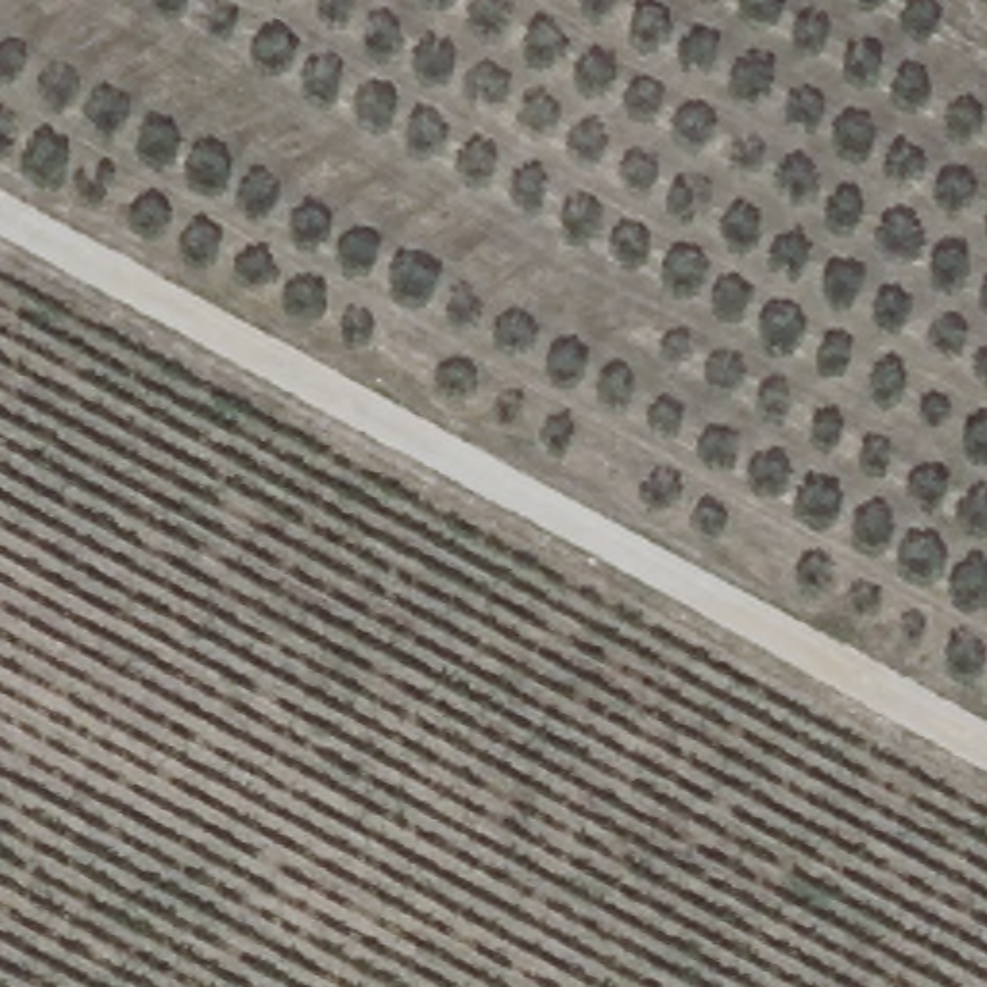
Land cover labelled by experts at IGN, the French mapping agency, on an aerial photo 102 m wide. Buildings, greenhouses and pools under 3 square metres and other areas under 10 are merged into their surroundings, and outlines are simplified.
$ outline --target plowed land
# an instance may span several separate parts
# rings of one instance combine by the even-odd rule
[[[721,0],[667,0],[671,31],[663,42],[648,46],[636,42],[628,31],[636,0],[509,0],[509,27],[501,35],[482,35],[467,19],[470,0],[0,0],[0,189],[39,208],[54,224],[66,224],[69,231],[116,254],[127,254],[131,262],[189,289],[220,312],[312,355],[316,362],[409,409],[440,432],[474,443],[486,455],[509,463],[513,470],[601,513],[605,520],[663,547],[667,555],[717,574],[721,582],[864,652],[867,659],[898,671],[902,679],[914,679],[929,694],[956,702],[960,709],[987,721],[987,659],[979,675],[952,675],[945,652],[952,628],[968,628],[987,644],[987,605],[960,609],[952,601],[948,582],[968,551],[987,555],[987,532],[968,532],[968,524],[956,517],[956,505],[972,482],[987,482],[987,463],[975,463],[968,455],[964,420],[975,409],[987,409],[987,0],[937,0],[941,27],[925,39],[914,39],[902,27],[902,15],[883,23],[875,8],[864,8],[860,0],[783,0],[783,15],[798,15],[802,8],[829,12],[829,39],[840,46],[856,35],[871,35],[883,42],[879,73],[867,81],[852,81],[844,66],[825,69],[817,50],[798,50],[794,35],[787,42],[771,42],[771,23],[748,19],[740,8],[725,12]],[[374,8],[389,8],[401,15],[401,42],[386,58],[374,58],[366,50],[366,19]],[[536,12],[555,15],[571,39],[551,66],[532,66],[524,54],[524,31]],[[270,19],[289,23],[297,31],[297,54],[281,73],[262,69],[251,58],[251,39]],[[706,69],[679,62],[679,42],[698,23],[721,31],[717,58]],[[416,42],[432,31],[455,42],[455,69],[447,81],[428,81],[413,66]],[[594,96],[582,93],[574,81],[574,66],[590,46],[605,46],[617,54],[613,85]],[[343,58],[343,81],[335,100],[328,104],[312,100],[301,77],[308,54],[332,50]],[[729,89],[733,62],[748,50],[775,54],[775,81],[771,93],[760,100],[736,100]],[[467,73],[490,58],[509,69],[509,96],[501,104],[467,96]],[[39,93],[39,73],[50,62],[66,62],[77,69],[77,93],[66,108],[54,108]],[[918,108],[891,93],[902,62],[925,62],[929,100],[945,112],[956,96],[979,96],[983,127],[972,139],[956,139],[945,116],[921,120]],[[648,120],[625,108],[625,93],[636,73],[652,73],[663,81],[663,104]],[[116,131],[96,131],[96,123],[85,116],[93,89],[104,81],[131,93],[131,112]],[[397,108],[386,131],[374,131],[366,120],[355,116],[355,93],[366,81],[389,81],[397,89]],[[787,116],[787,96],[798,85],[817,85],[825,93],[825,112],[817,123],[794,123]],[[551,89],[559,96],[559,120],[551,131],[528,131],[520,123],[520,104],[528,89]],[[717,127],[709,143],[686,143],[675,135],[675,112],[682,100],[706,100],[717,108]],[[416,104],[432,104],[447,120],[447,143],[432,154],[409,147],[409,116]],[[833,123],[844,108],[871,112],[875,143],[867,158],[844,158],[837,150]],[[166,166],[147,166],[147,158],[139,154],[139,131],[150,112],[173,116],[181,131],[177,154]],[[609,147],[598,162],[586,162],[567,147],[571,131],[586,116],[598,116],[605,127]],[[58,189],[35,185],[23,173],[23,150],[39,127],[54,127],[69,139],[69,158],[62,166]],[[189,185],[189,154],[204,135],[224,139],[231,150],[231,173],[220,193],[200,193]],[[497,143],[494,173],[482,185],[470,185],[459,170],[459,150],[470,135],[486,135]],[[910,139],[925,150],[921,173],[887,173],[883,162],[894,139]],[[632,147],[644,147],[659,158],[652,189],[632,189],[621,177],[621,158]],[[806,197],[790,197],[775,177],[779,162],[790,150],[810,154],[817,166],[817,189]],[[77,197],[73,177],[77,170],[93,173],[100,158],[116,162],[116,177],[104,200],[89,204]],[[532,158],[547,170],[540,212],[517,204],[513,197],[513,170]],[[239,204],[239,185],[251,166],[266,166],[281,185],[281,197],[266,216],[247,216]],[[937,173],[945,166],[972,166],[979,177],[975,197],[964,208],[945,208],[933,193]],[[698,204],[694,220],[679,220],[667,208],[671,181],[679,173],[713,173],[709,204]],[[844,181],[860,185],[864,216],[856,220],[856,227],[833,231],[825,208],[833,189]],[[127,204],[147,189],[162,189],[170,197],[170,224],[158,235],[139,235],[127,224]],[[567,239],[563,197],[571,193],[594,193],[601,200],[594,239]],[[320,197],[332,208],[332,227],[320,243],[297,247],[289,216],[305,197]],[[760,235],[752,247],[733,247],[721,231],[721,220],[733,200],[752,200],[760,208]],[[891,254],[879,243],[879,220],[894,204],[910,204],[925,227],[921,251],[914,258]],[[181,231],[193,216],[212,216],[224,231],[220,251],[208,266],[189,266],[181,258]],[[702,243],[709,258],[702,285],[694,293],[675,293],[667,281],[652,289],[640,266],[625,266],[617,258],[609,243],[617,220],[640,220],[652,235],[648,247],[663,254],[671,251],[671,243]],[[374,227],[382,235],[370,270],[343,270],[339,239],[347,227]],[[771,243],[775,235],[794,227],[810,239],[810,262],[798,274],[787,274],[771,266]],[[941,239],[968,243],[968,274],[952,289],[941,289],[929,266]],[[235,274],[235,254],[251,243],[266,243],[278,262],[274,278],[262,285],[247,285]],[[405,247],[440,258],[436,289],[420,305],[401,305],[393,297],[389,270],[393,254]],[[864,262],[864,281],[852,305],[829,301],[829,258]],[[297,274],[324,278],[328,305],[320,316],[285,312],[281,293]],[[721,274],[740,274],[752,281],[752,297],[740,320],[721,320],[713,308],[713,289]],[[470,281],[482,301],[470,324],[451,324],[447,316],[451,285],[459,281]],[[883,328],[875,320],[879,285],[902,285],[910,293],[910,316],[902,328]],[[775,297],[798,301],[806,312],[806,332],[794,343],[794,351],[771,351],[763,343],[760,312]],[[343,312],[351,305],[374,312],[374,335],[366,343],[343,339]],[[528,308],[540,324],[536,339],[520,351],[505,351],[494,339],[494,320],[505,308]],[[945,312],[960,312],[968,320],[968,335],[956,355],[937,351],[929,339],[929,328]],[[659,351],[659,343],[632,343],[632,328],[655,328],[659,335],[667,328],[690,328],[690,351],[702,351],[706,359],[721,347],[740,351],[744,378],[736,389],[709,386],[706,374],[686,378],[682,366]],[[852,335],[852,359],[833,378],[817,366],[817,351],[829,328]],[[559,335],[574,335],[586,343],[582,378],[571,386],[555,386],[547,378],[547,351]],[[440,389],[436,366],[447,355],[474,359],[474,393]],[[891,405],[879,405],[871,397],[871,366],[883,355],[902,355],[906,362],[906,389]],[[636,378],[632,401],[625,409],[609,409],[598,397],[598,374],[609,359],[628,362]],[[767,374],[783,374],[790,386],[787,416],[763,416],[756,401],[760,382]],[[682,401],[679,432],[659,432],[648,424],[648,405],[663,393]],[[844,413],[844,432],[837,447],[814,443],[814,413],[825,405],[837,405]],[[574,440],[567,443],[567,451],[551,451],[544,440],[544,424],[551,413],[574,416]],[[698,436],[706,424],[736,428],[733,467],[702,463]],[[891,436],[891,463],[883,474],[860,463],[860,443],[867,432]],[[748,482],[752,455],[767,447],[783,447],[790,459],[783,494],[756,494]],[[921,501],[906,486],[918,463],[948,467],[948,490],[933,509],[921,509]],[[671,505],[648,505],[640,497],[640,486],[655,467],[675,467],[682,474],[682,494]],[[840,482],[840,513],[829,528],[810,528],[794,517],[794,501],[806,474],[833,474]],[[702,528],[694,524],[694,509],[702,497],[717,497],[729,509],[729,520],[717,536],[702,536]],[[856,509],[871,497],[891,501],[894,524],[891,540],[879,551],[860,551],[852,544],[852,524]],[[906,578],[898,567],[898,551],[910,528],[937,528],[945,540],[945,559],[925,582]],[[833,559],[833,578],[825,586],[798,582],[798,555],[810,547],[821,547]]]

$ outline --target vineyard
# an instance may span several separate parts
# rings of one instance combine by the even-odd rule
[[[601,555],[482,497],[478,490],[467,490],[443,470],[378,443],[370,432],[359,432],[320,413],[297,393],[278,389],[274,382],[189,339],[185,332],[131,308],[127,301],[108,297],[96,285],[62,274],[54,262],[0,235],[0,987],[987,987],[987,771],[956,760],[948,748],[933,744],[921,733],[875,721],[875,713],[867,713],[860,702],[810,679],[794,663],[771,655],[767,648],[713,625],[694,605],[617,571]]]

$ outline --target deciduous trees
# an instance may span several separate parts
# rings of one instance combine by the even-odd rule
[[[382,235],[374,227],[347,227],[339,239],[343,270],[370,270]]]
[[[547,170],[532,158],[513,170],[513,197],[517,204],[540,212]]]
[[[69,139],[54,127],[39,127],[23,150],[23,173],[35,185],[58,189],[62,166],[69,158]]]
[[[817,366],[833,378],[852,359],[852,335],[829,328],[817,351]]]
[[[736,100],[760,100],[771,93],[775,81],[775,54],[748,50],[733,62],[729,89]]]
[[[675,135],[686,143],[709,143],[717,127],[717,108],[706,100],[682,100],[675,112]]]
[[[879,220],[879,243],[891,254],[914,258],[921,251],[925,227],[910,204],[894,204]]]
[[[212,216],[193,216],[181,231],[181,258],[189,266],[208,266],[220,251],[224,231]]]
[[[509,0],[470,0],[467,19],[482,35],[501,35],[509,27]]]
[[[659,335],[655,328],[632,328],[632,343],[659,343],[659,351],[682,366],[686,378],[706,374],[709,386],[736,389],[744,378],[740,351],[721,347],[706,359],[702,351],[690,351],[690,328],[667,328]]]
[[[771,266],[787,274],[798,274],[810,262],[810,239],[794,227],[775,235],[771,243]]]
[[[879,73],[883,42],[871,35],[856,35],[840,46],[829,39],[829,12],[802,8],[798,15],[783,15],[783,0],[721,0],[725,12],[740,8],[748,19],[771,23],[771,42],[787,42],[794,35],[798,50],[817,50],[825,69],[844,66],[852,81],[867,81]]]
[[[582,378],[586,343],[574,335],[559,335],[547,351],[547,378],[555,386],[571,386]]]
[[[794,501],[794,517],[810,528],[829,528],[840,513],[840,482],[833,474],[806,474]]]
[[[297,247],[320,243],[332,227],[332,208],[320,197],[305,197],[289,216]]]
[[[979,675],[987,659],[987,644],[968,628],[952,628],[945,652],[952,675]]]
[[[116,131],[131,112],[131,93],[104,81],[93,89],[85,116],[96,123],[96,131]]]
[[[937,528],[910,528],[898,551],[898,567],[906,578],[925,582],[945,559],[945,540]]]
[[[921,120],[945,116],[956,139],[972,139],[983,127],[979,96],[956,96],[945,112],[929,100],[925,62],[902,62],[891,93],[918,108]]]
[[[50,62],[39,73],[39,93],[54,108],[66,108],[77,93],[77,69],[66,62]]]
[[[968,243],[941,239],[929,266],[941,289],[952,289],[968,274]]]
[[[440,389],[474,393],[474,359],[447,355],[436,366]]]
[[[694,524],[702,528],[702,536],[717,536],[729,520],[729,509],[717,497],[702,497],[694,509]]]
[[[860,463],[883,474],[891,463],[891,436],[867,432],[860,443]]]
[[[609,409],[625,409],[632,401],[636,378],[628,362],[609,359],[598,374],[598,397]]]
[[[189,154],[189,185],[200,193],[220,193],[231,173],[231,150],[224,139],[204,135]]]
[[[447,120],[432,104],[416,104],[409,116],[409,147],[432,154],[447,143]]]
[[[324,278],[297,274],[281,293],[285,312],[320,316],[328,305]]]
[[[239,185],[239,204],[247,216],[266,216],[281,197],[281,185],[266,166],[251,166]]]
[[[817,166],[810,154],[790,150],[779,162],[775,177],[790,197],[806,197],[817,189]]]
[[[798,582],[825,586],[833,578],[833,559],[821,547],[810,547],[798,555]]]
[[[632,189],[652,189],[659,158],[644,147],[632,147],[621,158],[621,177]]]
[[[975,197],[979,177],[972,166],[945,166],[937,173],[933,193],[945,208],[964,208]]]
[[[814,443],[837,447],[844,432],[844,413],[837,405],[825,405],[814,413]]]
[[[968,551],[948,582],[952,601],[960,609],[987,605],[987,555]]]
[[[871,112],[844,108],[833,123],[837,150],[844,158],[867,158],[875,143]]]
[[[374,58],[386,58],[401,42],[401,15],[389,8],[374,8],[366,19],[366,50]]]
[[[520,104],[520,123],[528,131],[551,131],[559,120],[559,96],[551,89],[528,89]]]
[[[713,289],[713,308],[721,320],[740,320],[752,297],[752,281],[740,274],[721,274]]]
[[[590,46],[574,66],[574,81],[582,93],[594,96],[613,85],[617,54],[605,46]]]
[[[663,104],[663,81],[652,73],[636,73],[625,93],[625,108],[648,120]]]
[[[852,305],[864,281],[864,262],[829,258],[829,301]]]
[[[856,227],[856,220],[864,216],[860,185],[844,181],[833,189],[825,208],[833,231]]]
[[[524,31],[524,54],[532,66],[551,66],[571,39],[555,15],[536,12]]]
[[[671,181],[667,208],[679,220],[694,220],[698,204],[709,204],[713,173],[679,173]]]
[[[648,405],[648,424],[659,432],[679,432],[682,401],[663,393]]]
[[[116,162],[100,158],[93,173],[77,170],[73,177],[77,197],[89,204],[104,200],[116,177]]]
[[[682,474],[675,467],[655,467],[640,486],[640,497],[648,505],[671,505],[682,494]]]
[[[948,490],[948,467],[918,463],[906,486],[921,501],[921,509],[933,509]]]
[[[883,328],[902,328],[910,316],[910,293],[902,285],[879,285],[875,320]]]
[[[459,281],[451,285],[447,316],[451,324],[470,324],[482,301],[470,281]]]
[[[760,382],[756,401],[763,416],[787,416],[790,386],[783,374],[767,374]]]
[[[910,139],[894,139],[883,162],[887,173],[921,173],[925,150]]]
[[[505,308],[494,320],[494,339],[505,351],[520,351],[536,339],[540,324],[528,308]]]
[[[628,31],[636,42],[648,46],[663,42],[671,31],[667,0],[636,0]]]
[[[459,170],[470,185],[482,185],[494,173],[497,143],[486,135],[470,135],[459,150]]]
[[[432,31],[416,42],[413,66],[428,81],[447,81],[455,69],[455,42]]]
[[[405,247],[393,254],[389,270],[393,297],[401,305],[420,305],[436,289],[440,258]]]
[[[158,235],[170,224],[170,197],[162,189],[147,189],[127,204],[127,224],[139,235]]]
[[[767,447],[752,455],[748,482],[756,494],[783,494],[790,459],[783,447]]]
[[[721,31],[698,23],[679,42],[679,62],[706,69],[717,58]]]
[[[235,254],[235,274],[247,285],[262,285],[274,278],[278,262],[266,243],[251,243]]]
[[[366,343],[374,335],[374,312],[351,305],[343,312],[343,339]]]
[[[825,93],[817,85],[798,85],[787,96],[787,116],[794,123],[817,123],[825,112]]]
[[[875,8],[883,23],[902,15],[902,27],[914,39],[925,39],[941,27],[937,0],[860,0],[864,8]]]
[[[975,463],[987,463],[987,409],[975,409],[964,420],[968,455]]]
[[[567,443],[574,440],[574,416],[551,413],[544,424],[544,440],[551,451],[567,451]]]
[[[902,355],[883,355],[871,366],[871,397],[879,405],[891,405],[906,389],[906,362]]]
[[[775,297],[760,312],[763,343],[771,351],[794,351],[794,343],[806,332],[806,312],[798,301]]]
[[[366,120],[374,131],[386,131],[397,108],[397,89],[389,81],[366,81],[355,93],[355,116]]]
[[[760,208],[752,200],[733,200],[721,220],[721,231],[733,247],[752,247],[760,235]]]
[[[289,23],[270,19],[251,39],[251,58],[262,69],[281,73],[297,54],[297,31]]]
[[[709,258],[702,243],[671,243],[671,251],[663,254],[648,247],[652,235],[640,220],[617,220],[609,243],[617,258],[625,266],[640,266],[652,289],[667,281],[675,293],[694,293],[702,285]]]
[[[601,200],[594,193],[571,193],[563,197],[567,239],[594,239]]]
[[[987,532],[987,482],[972,482],[956,505],[956,517],[968,524],[968,532]]]
[[[736,428],[706,424],[698,436],[702,463],[733,467]]]
[[[467,96],[501,104],[509,96],[509,69],[490,58],[467,73]]]
[[[598,162],[609,147],[605,127],[598,116],[586,116],[571,131],[567,147],[586,162]]]
[[[856,509],[852,524],[852,544],[860,551],[879,551],[891,540],[894,524],[891,501],[871,497]]]
[[[937,351],[956,355],[968,335],[968,320],[960,312],[945,312],[929,328],[929,339]]]
[[[308,54],[301,77],[312,100],[328,104],[335,100],[343,81],[343,58],[332,50]]]
[[[173,116],[150,112],[139,131],[139,154],[147,158],[147,166],[166,166],[177,154],[181,131]]]

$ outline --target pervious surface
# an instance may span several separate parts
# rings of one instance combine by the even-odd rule
[[[127,301],[131,308],[185,332],[189,339],[274,382],[278,389],[297,393],[320,413],[359,432],[370,432],[378,443],[443,470],[467,490],[478,490],[482,497],[601,555],[617,571],[694,605],[713,625],[767,648],[771,655],[794,663],[810,679],[860,702],[867,713],[875,713],[875,721],[921,733],[933,744],[948,748],[956,760],[987,771],[987,721],[960,709],[956,702],[929,694],[914,679],[902,679],[898,671],[867,659],[864,652],[721,582],[717,574],[667,555],[663,547],[605,520],[601,513],[513,470],[509,463],[486,455],[474,443],[440,432],[409,409],[316,362],[312,355],[220,312],[189,289],[131,262],[127,254],[116,254],[69,231],[66,224],[54,224],[39,208],[0,189],[0,235],[54,262],[62,274],[96,285],[108,297]]]

